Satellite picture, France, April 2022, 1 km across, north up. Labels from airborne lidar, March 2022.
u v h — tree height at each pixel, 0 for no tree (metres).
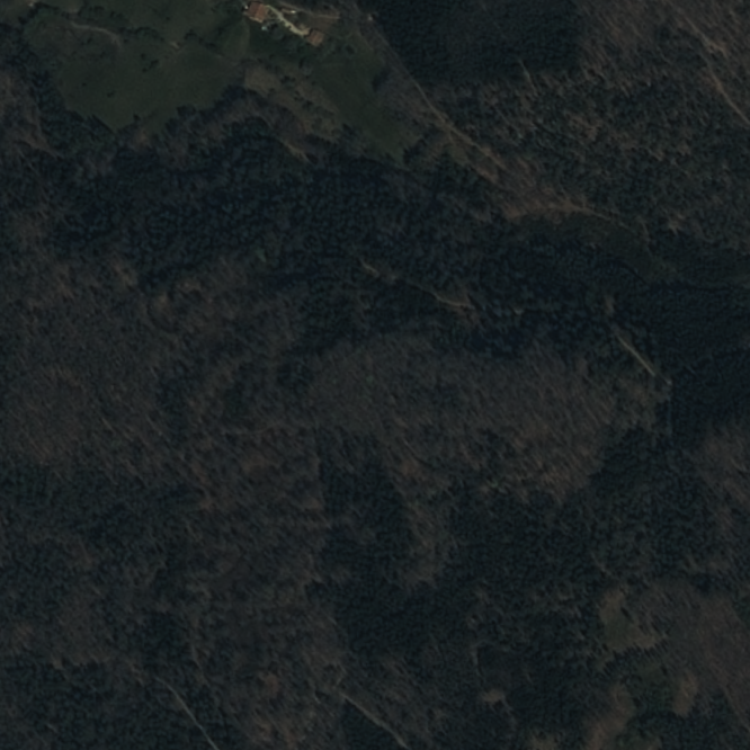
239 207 22
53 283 25
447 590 24
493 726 17
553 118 6
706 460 25
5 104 24
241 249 13
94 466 28
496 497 23
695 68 26
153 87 0
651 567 21
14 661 25
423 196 27
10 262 23
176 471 27
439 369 27
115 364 26
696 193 22
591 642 29
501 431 30
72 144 25
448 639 16
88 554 21
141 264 30
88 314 24
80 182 32
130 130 8
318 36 0
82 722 27
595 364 29
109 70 0
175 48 0
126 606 31
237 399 6
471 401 29
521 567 25
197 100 0
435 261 28
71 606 26
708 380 18
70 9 0
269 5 13
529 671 15
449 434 28
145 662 7
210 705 24
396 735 19
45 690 29
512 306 7
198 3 0
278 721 25
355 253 31
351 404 26
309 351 11
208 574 28
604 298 8
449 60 19
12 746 30
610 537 7
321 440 24
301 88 0
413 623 21
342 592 23
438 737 21
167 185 19
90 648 31
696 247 20
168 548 9
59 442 29
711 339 17
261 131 18
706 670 22
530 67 19
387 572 22
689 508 28
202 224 27
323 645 23
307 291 27
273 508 8
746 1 21
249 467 27
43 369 27
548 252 25
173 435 29
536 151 26
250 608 26
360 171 15
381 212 29
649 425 31
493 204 9
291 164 10
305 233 29
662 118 18
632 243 7
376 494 20
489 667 17
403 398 26
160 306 29
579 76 16
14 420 29
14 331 29
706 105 24
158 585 12
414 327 31
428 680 16
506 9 18
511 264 11
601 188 28
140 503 24
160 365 29
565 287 15
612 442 26
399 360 25
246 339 27
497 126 10
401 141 0
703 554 26
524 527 19
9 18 0
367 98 0
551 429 27
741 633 14
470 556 24
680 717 0
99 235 23
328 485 20
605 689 20
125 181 18
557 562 32
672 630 21
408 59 28
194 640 26
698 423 22
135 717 28
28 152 24
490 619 21
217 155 10
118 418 26
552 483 25
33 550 26
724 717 23
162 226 26
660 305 26
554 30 22
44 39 0
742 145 20
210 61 0
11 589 27
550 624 19
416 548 18
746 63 21
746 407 22
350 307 10
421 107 29
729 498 24
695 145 23
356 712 23
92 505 29
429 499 23
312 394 22
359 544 32
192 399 29
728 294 22
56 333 30
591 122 12
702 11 26
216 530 6
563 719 21
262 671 8
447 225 27
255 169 16
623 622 0
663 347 18
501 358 7
